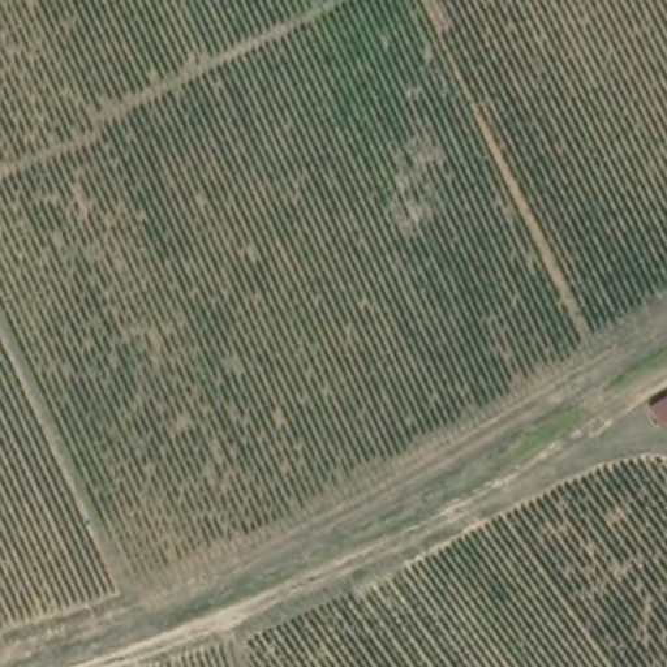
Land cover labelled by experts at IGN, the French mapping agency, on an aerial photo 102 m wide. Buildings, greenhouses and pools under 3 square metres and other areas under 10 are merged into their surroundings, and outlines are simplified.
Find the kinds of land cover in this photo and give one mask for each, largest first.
<instances>
[{"label":"vineyard","instance_id":"1","mask_svg":"<svg viewBox=\"0 0 667 667\"><path fill-rule=\"evenodd\" d=\"M568 284L571 297L586 318L589 331H599L604 323L628 315L641 305H651L657 289L667 287V0H0V623L31 615L34 599H39L42 610H50L52 602H83L112 589L109 573L99 558V547L104 545L112 555H125L130 560L128 568H122V576L138 581L143 573L167 568V550H175L180 560H185L198 547L211 545L214 539H232L237 532L250 534L261 526L289 518V498H294L305 508L307 498L323 492L326 482L336 485L334 469H341L349 477L354 466H360L367 459H393L414 443V438L461 422L464 406H487L490 401L505 396L511 391L513 375H534L537 365H555L568 360L578 349L581 339L568 318V310L560 305V287ZM159 667H667V461L654 459L641 464H623L615 469L594 472L578 482L563 485L550 495L539 498L537 503H529L526 508H518L503 516L500 521H492L472 532L466 539L427 558L425 563L404 568L399 576H393V581L383 584L380 589H373L367 597H357L352 591L341 599L315 607L313 612H302L287 620L284 625H276L271 631L266 628L263 636H253L248 641L245 654H237L229 641H224L221 649H208L206 654H195L190 659H182L180 664H172L164 654H156Z\"/></svg>","mask_w":667,"mask_h":667},{"label":"herbaceous vegetation","instance_id":"2","mask_svg":"<svg viewBox=\"0 0 667 667\"><path fill-rule=\"evenodd\" d=\"M560 305L568 310V318L581 339L578 349L568 360L555 365H537L534 375H513L511 391L505 396L490 401L487 406H464L461 422L414 438V443L393 459H367L360 466H354L349 477L341 469H334L336 485L326 482L323 492L307 498L305 508L294 498H289V518L261 526L250 534L237 532L232 539H214L211 545L198 547L185 560H180L175 550H167V568L143 573L138 581L122 576V568H128L130 560L125 555H112L104 545L99 547V558L109 573L112 589L83 602H52L50 610H42L39 599H34L31 615L0 623V667H70L99 654H107L112 649H122L128 644L156 636L162 631H172L208 612L224 610L307 568H318L326 560L339 558L344 550L370 545L375 539L401 532L404 526L419 524L459 498L469 500V513L440 532H433L419 545L367 563L339 581L320 586L318 591L279 602L261 615H250L229 631L193 638L182 646H172L164 654L172 664H180L182 659H190L195 654H206L208 649H221L224 641H229L237 654H245L248 641L253 636H263L266 628L271 631L276 625H284L287 620L302 612H313L315 607L341 599L352 591L357 597H367L373 589H380L383 584L393 581V576H399L404 568L425 563L427 558L466 539L472 532L492 521H500L503 516L518 508H526L529 503H537L539 498L550 495L563 485L578 482L594 472L615 469L623 464H641L654 459L667 461V287L657 289L651 305H641L628 315L604 323L599 331H589L586 318L571 297L568 284L560 287Z\"/></svg>","mask_w":667,"mask_h":667},{"label":"pervious surface","instance_id":"3","mask_svg":"<svg viewBox=\"0 0 667 667\"><path fill-rule=\"evenodd\" d=\"M469 513V500L459 498L419 524L404 526L401 532L375 539L370 545L344 550L339 558L326 560L318 568H307L224 610L208 612L172 631H162L156 636L128 644L122 649H112L107 654H99L70 667H159L156 654H164L172 646H182L193 638L229 631L250 615H261L279 602L318 591L320 586L339 581L367 563L419 545L433 532H440Z\"/></svg>","mask_w":667,"mask_h":667}]
</instances>
